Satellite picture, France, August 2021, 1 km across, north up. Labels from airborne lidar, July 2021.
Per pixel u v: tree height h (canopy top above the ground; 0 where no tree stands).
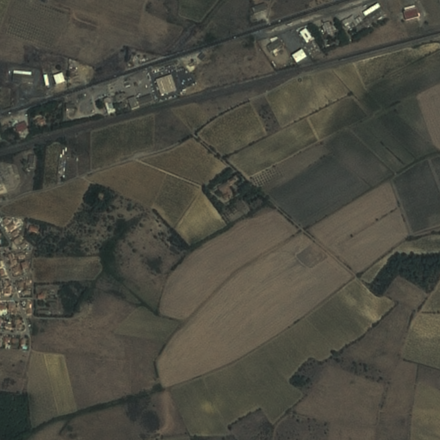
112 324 0
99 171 0
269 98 0
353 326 0
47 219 0
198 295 0
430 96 0
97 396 0
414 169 0
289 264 0
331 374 0
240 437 0
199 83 0
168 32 0
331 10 0
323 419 0
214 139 0
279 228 0
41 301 8
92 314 0
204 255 0
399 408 0
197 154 0
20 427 8
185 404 0
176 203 0
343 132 0
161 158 0
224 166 0
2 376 0
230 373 0
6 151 0
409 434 0
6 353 0
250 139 0
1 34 0
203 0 0
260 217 0
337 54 0
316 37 8
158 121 0
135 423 0
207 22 0
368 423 0
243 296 0
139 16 0
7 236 0
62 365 0
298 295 0
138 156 0
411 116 0
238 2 0
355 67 0
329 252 0
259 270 0
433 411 0
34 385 0
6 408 6
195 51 0
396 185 0
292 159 0
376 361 0
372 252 0
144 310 0
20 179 0
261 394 0
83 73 0
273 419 0
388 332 0
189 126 0
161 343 0
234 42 0
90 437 0
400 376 0
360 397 0
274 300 0
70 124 11
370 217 0
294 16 0
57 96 0
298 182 0
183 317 0
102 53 0
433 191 0
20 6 0
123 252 0
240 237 0
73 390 0
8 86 0
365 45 0
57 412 0
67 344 0
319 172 0
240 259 0
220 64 0
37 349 0
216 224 0
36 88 0
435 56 0
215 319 0
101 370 0
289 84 0
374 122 0
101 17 0
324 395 0
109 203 14
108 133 0
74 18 0
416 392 0
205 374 0
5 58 0
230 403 0
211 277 0
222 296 0
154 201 0
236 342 0
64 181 10
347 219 0
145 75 0
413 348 0
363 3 0
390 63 0
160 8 0
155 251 0
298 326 0
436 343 0
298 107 0
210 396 0
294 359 0
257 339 0
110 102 0
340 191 0
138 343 0
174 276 0
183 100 0
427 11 0
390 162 0
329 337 0
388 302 0
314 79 0
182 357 0
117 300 0
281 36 0
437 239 0
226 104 0
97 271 0
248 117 0
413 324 0
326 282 0
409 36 0
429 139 0
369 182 0
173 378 0
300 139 0
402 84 0
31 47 0
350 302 0
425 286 7
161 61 0
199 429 0
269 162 0
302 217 0
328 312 0
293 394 0
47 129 12
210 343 0
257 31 0
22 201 0
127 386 0
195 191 0
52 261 0
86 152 0
